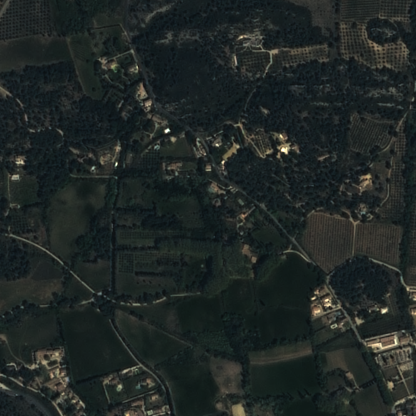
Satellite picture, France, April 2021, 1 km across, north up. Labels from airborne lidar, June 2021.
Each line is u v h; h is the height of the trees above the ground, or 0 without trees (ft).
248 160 36
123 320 0
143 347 0
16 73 31
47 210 45
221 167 33
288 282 0
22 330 0
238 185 62
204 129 40
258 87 25
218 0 40
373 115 39
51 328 0
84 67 0
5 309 0
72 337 0
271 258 78
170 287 0
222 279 129
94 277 0
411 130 50
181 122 44
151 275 50
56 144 48
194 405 0
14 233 20
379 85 24
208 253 112
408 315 43
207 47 39
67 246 0
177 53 26
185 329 0
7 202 54
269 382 0
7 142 27
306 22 0
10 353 0
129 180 19
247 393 40
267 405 45
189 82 0
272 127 52
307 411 0
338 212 34
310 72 35
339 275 37
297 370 0
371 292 39
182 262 36
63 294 20
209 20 27
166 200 22
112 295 58
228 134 60
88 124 31
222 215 52
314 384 0
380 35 24
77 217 0
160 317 0
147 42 52
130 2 0
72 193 0
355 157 0
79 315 0
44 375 52
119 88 32
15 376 58
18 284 0
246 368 24
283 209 53
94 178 37
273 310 0
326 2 0
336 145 36
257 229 23
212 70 25
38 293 0
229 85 31
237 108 54
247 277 94
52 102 46
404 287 22
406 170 35
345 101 33
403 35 20
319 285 31
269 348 30
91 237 35
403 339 0
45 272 0
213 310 0
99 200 0
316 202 53
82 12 31
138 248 44
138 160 23
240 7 31
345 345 0
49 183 62
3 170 47
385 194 0
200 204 19
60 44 0
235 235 24
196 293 64
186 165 0
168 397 49
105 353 0
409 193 50
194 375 0
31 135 38
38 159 52
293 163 56
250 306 0
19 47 0
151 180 27
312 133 31
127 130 24
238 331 68
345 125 39
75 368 0
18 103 33
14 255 28
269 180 50
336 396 70
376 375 81
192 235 20
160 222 42
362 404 0
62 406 40
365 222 37
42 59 0
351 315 50
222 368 0
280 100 30
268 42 52
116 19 0
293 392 0
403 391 0
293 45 36
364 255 0
